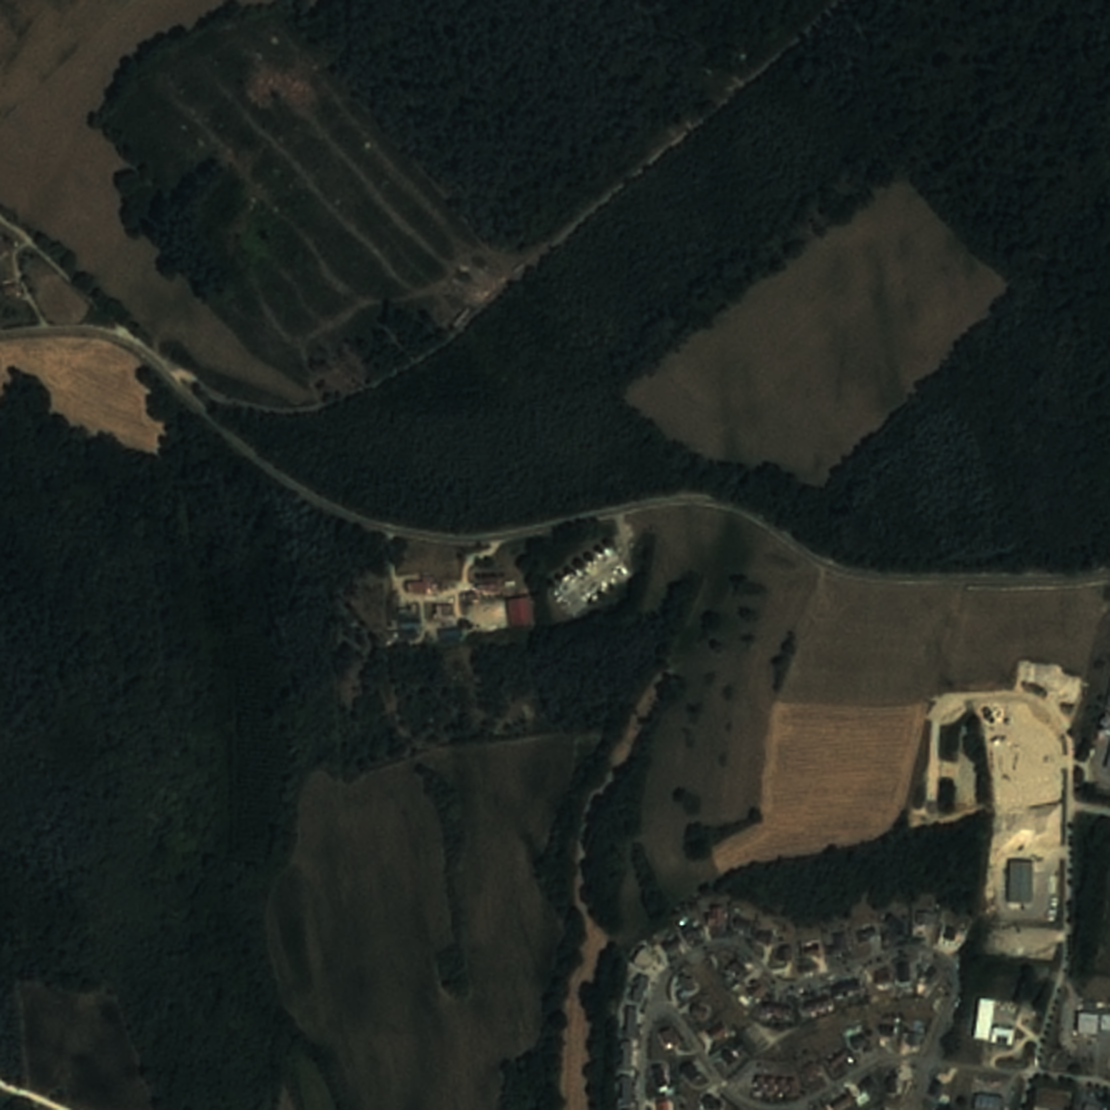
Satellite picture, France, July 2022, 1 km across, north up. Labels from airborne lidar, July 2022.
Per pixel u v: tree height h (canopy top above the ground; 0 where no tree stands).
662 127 12
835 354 0
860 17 20
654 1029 0
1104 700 7
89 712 7
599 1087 7
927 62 23
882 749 0
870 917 0
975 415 14
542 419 11
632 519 0
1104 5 7
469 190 28
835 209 21
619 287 9
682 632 13
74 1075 0
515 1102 10
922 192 18
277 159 0
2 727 19
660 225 10
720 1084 0
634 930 0
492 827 0
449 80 9
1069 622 0
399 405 9
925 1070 0
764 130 13
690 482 12
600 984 13
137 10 0
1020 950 0
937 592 0
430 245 0
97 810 6
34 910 7
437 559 0
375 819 0
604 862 17
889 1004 0
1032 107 12
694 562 0
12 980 9
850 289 0
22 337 0
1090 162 27
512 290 10
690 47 25
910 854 11
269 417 17
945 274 0
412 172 0
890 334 0
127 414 0
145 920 7
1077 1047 0
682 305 15
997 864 0
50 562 15
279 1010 9
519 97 12
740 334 0
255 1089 7
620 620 16
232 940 9
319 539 17
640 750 8
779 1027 9
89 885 5
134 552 18
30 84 0
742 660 0
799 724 0
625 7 20
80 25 0
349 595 13
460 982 7
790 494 21
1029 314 15
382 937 0
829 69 23
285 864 8
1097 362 19
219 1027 7
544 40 26
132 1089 0
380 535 8
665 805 0
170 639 12
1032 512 14
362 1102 0
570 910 14
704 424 0
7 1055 16
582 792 11
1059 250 20
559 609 0
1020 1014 0
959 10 9
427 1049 0
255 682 7
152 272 0
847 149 12
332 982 0
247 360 0
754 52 8
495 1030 0
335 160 0
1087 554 10
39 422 16
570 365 11
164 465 17
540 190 23
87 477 19
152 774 6
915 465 17
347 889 0
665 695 19
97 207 0
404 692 7
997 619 0
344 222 0
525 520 8
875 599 0
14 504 24
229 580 18
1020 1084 0
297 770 6
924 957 0
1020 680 0
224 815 8
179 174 0
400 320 16
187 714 16
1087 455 20
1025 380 16
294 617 21
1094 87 12
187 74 0
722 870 0
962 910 20
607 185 6
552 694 22
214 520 23
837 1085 0
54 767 9
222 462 6
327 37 26
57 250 13
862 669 0
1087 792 10
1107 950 0
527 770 0
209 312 0
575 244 8
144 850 7
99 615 18
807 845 0
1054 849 0
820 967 0
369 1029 0
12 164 0
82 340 0
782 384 0
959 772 0
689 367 0
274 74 0
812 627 0
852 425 0
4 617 7
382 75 10
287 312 0
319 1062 10
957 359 12
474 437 11
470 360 11
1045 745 0
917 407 11
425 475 9
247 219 0
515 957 0
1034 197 24
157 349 0
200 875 11
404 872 0
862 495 19
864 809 0
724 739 0
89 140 0
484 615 0
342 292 0
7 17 0
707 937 0
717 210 10
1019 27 17
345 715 7
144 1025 7
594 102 27
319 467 15
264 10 9
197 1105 6
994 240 22
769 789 0
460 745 11
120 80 15
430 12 25
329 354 16
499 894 0
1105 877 10
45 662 19
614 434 7
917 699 0
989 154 9
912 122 22
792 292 0
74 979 19
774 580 0
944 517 17
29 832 10
